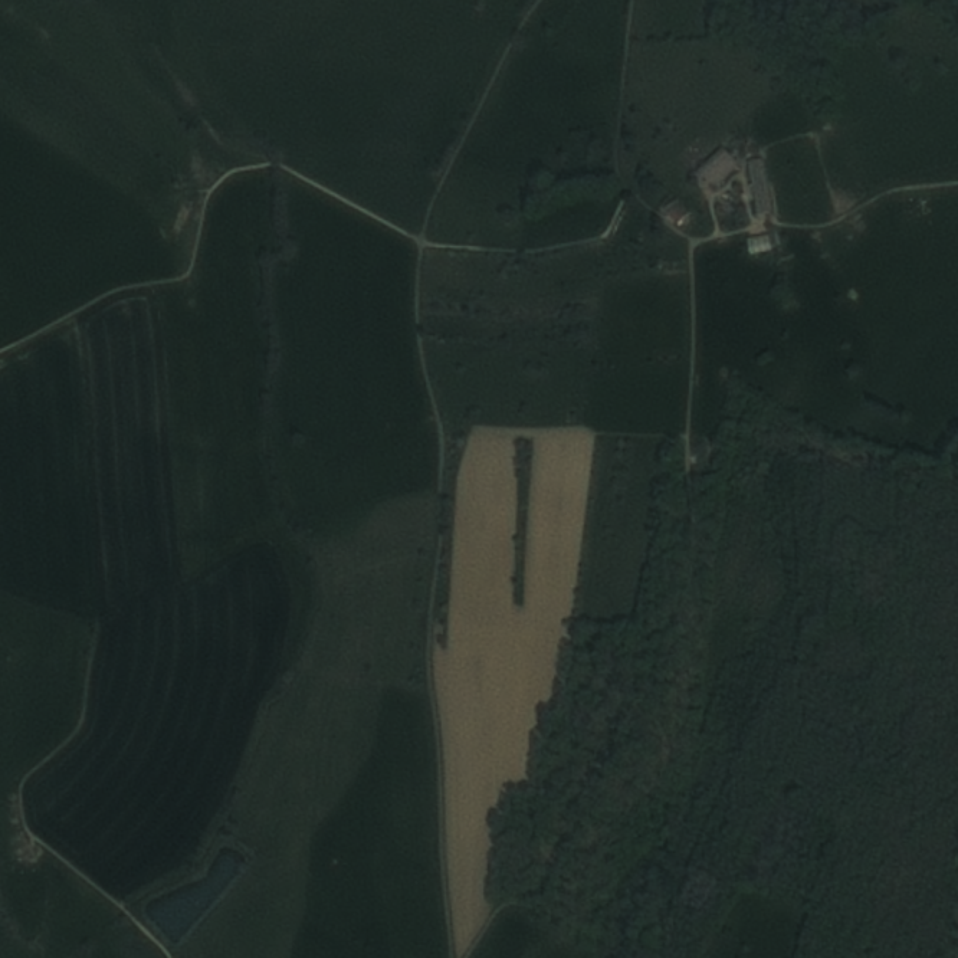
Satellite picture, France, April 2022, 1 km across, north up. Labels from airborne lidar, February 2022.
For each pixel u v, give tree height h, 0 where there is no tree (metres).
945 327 0
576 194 22
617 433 0
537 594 0
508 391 0
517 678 0
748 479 18
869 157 0
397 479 0
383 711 0
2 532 0
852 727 21
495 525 0
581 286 0
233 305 0
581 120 0
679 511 25
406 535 0
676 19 0
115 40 0
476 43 0
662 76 0
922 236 0
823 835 20
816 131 0
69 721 0
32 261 0
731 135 0
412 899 0
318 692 0
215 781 0
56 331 0
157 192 0
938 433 0
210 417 0
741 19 28
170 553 0
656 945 24
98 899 0
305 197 0
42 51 0
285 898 0
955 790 9
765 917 0
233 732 0
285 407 0
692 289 0
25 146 0
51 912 0
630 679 26
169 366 0
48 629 0
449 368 0
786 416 16
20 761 0
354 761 0
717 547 25
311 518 0
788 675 16
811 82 28
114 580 0
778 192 0
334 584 0
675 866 25
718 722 15
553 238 0
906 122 0
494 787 0
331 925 0
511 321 8
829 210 0
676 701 28
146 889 0
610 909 12
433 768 0
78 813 0
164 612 0
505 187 0
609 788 28
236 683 0
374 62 0
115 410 0
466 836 0
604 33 0
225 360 0
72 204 0
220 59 0
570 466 0
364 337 0
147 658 0
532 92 0
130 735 0
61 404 0
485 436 0
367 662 0
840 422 0
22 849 0
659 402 0
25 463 0
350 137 0
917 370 0
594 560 0
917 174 0
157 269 0
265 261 17
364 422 0
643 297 0
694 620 23
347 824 0
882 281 0
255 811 0
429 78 0
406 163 0
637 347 0
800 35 29
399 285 0
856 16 25
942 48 0
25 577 0
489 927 0
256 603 0
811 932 15
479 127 0
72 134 0
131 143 0
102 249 0
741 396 13
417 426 0
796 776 17
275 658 0
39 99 0
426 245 0
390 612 0
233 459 0
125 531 0
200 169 0
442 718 0
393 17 0
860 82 0
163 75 0
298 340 0
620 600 0
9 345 0
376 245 0
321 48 0
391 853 0
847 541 22
